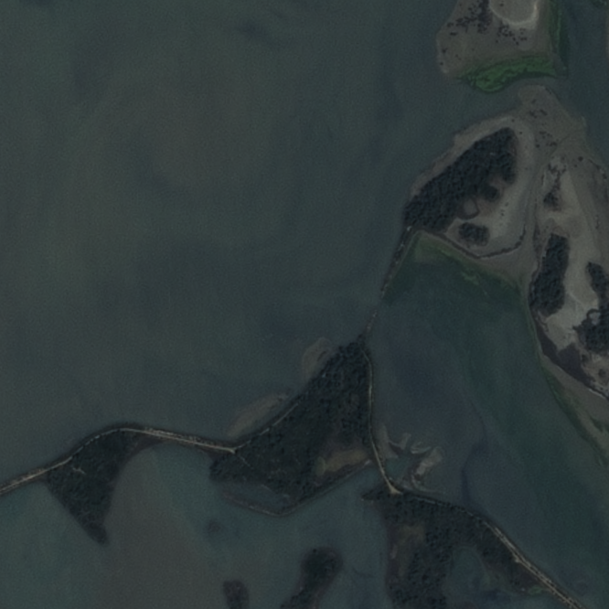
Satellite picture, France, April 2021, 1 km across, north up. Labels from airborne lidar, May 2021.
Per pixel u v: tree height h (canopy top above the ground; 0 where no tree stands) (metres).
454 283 0
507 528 0
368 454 0
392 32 0
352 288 0
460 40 0
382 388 0
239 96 0
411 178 0
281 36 0
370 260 0
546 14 0
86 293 0
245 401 0
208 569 0
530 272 0
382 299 0
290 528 0
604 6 0
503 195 0
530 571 0
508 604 0
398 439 0
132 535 0
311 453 8
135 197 0
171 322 0
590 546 0
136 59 0
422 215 6
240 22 0
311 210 0
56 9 0
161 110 0
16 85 0
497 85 0
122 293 0
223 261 0
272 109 0
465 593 0
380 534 0
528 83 0
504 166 6
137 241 0
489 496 0
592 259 0
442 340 0
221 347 0
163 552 0
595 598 0
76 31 0
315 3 0
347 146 0
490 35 0
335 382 7
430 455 0
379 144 0
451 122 0
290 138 0
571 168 0
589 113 0
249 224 0
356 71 0
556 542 0
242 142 0
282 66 0
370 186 0
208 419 0
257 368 0
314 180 0
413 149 0
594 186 0
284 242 0
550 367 0
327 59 0
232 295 0
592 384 0
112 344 0
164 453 0
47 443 0
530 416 0
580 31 0
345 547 0
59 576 0
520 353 0
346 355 10
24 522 0
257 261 0
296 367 0
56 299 0
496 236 0
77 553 0
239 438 0
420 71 0
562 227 0
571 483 0
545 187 0
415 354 0
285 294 0
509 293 0
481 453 0
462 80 0
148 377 0
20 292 0
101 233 0
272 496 0
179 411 0
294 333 0
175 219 0
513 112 0
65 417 0
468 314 0
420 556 6
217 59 0
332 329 0
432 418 0
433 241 0
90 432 0
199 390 0
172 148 0
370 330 0
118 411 0
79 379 0
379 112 0
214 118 0
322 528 0
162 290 0
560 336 0
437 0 0
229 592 0
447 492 0
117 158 0
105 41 0
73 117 0
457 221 0
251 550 0
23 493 0
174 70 0
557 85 0
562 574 0
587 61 0
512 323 0
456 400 0
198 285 0
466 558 0
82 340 0
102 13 0
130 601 0
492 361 0
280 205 0
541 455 0
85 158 0
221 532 0
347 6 0
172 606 0
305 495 7
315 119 0
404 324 0
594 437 0
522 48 0
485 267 0
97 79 0
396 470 0
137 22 0
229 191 0
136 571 0
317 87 0
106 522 0
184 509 0
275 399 0
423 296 0
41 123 0
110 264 0
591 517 0
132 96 0
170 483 0
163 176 0
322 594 0
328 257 0
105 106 0
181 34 0
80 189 0
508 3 0
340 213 0
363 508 0
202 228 0
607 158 0
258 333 0
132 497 0
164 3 0
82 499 5
